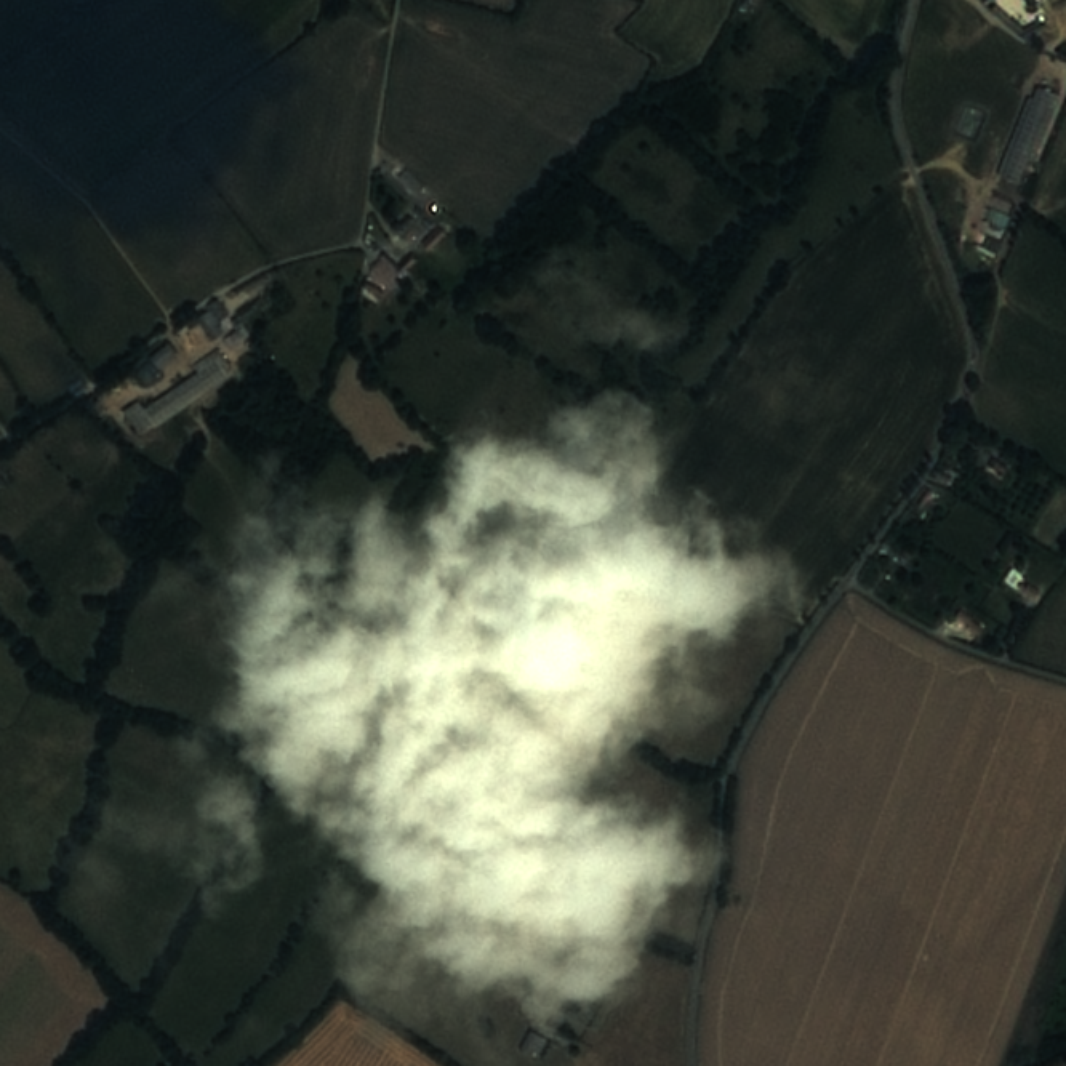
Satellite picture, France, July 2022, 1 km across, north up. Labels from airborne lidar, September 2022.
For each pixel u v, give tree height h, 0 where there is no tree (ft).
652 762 33
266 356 43
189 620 0
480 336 49
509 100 0
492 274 69
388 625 41
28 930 0
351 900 0
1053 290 0
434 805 0
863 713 0
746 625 0
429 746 0
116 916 0
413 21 0
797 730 0
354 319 88
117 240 0
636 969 0
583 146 37
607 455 0
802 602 0
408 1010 0
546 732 0
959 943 0
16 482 0
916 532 19
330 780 0
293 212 0
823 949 0
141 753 0
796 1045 0
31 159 0
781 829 0
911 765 0
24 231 0
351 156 0
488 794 32
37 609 58
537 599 51
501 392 0
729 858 37
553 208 65
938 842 0
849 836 0
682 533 0
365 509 0
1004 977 0
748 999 0
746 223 67
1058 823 0
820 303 0
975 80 0
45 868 0
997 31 0
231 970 0
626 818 0
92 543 0
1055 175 0
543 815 0
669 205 0
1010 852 0
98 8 44
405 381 0
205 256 0
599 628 0
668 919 0
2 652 0
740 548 0
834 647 0
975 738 0
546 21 0
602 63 0
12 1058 0
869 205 0
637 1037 0
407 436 0
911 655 0
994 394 0
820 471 0
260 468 33
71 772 0
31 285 53
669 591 0
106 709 56
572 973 0
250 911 0
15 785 0
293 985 0
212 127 0
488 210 0
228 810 0
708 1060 0
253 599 39
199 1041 0
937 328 0
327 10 66
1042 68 0
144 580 58
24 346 0
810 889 0
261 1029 0
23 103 0
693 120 36
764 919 0
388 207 33
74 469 0
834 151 0
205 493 0
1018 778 0
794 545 0
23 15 0
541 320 0
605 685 0
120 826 0
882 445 0
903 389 0
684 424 0
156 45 0
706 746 0
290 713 0
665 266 45
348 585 41
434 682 57
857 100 0
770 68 0
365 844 0
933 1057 0
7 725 0
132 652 0
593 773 0
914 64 0
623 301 0
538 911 0
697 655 0
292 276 0
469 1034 0
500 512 51
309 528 38
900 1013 0
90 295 0
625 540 0
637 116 41
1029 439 0
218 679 0
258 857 0
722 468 0
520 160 0
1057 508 0
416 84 0
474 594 60
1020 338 0
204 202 0
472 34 0
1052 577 0
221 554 0
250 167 0
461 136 0
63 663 0
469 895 0
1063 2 0
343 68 0
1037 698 0
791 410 0
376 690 53
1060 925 0
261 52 0
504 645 34
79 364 37
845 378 0
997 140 0
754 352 0
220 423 51
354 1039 0
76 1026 0
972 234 0
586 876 0
